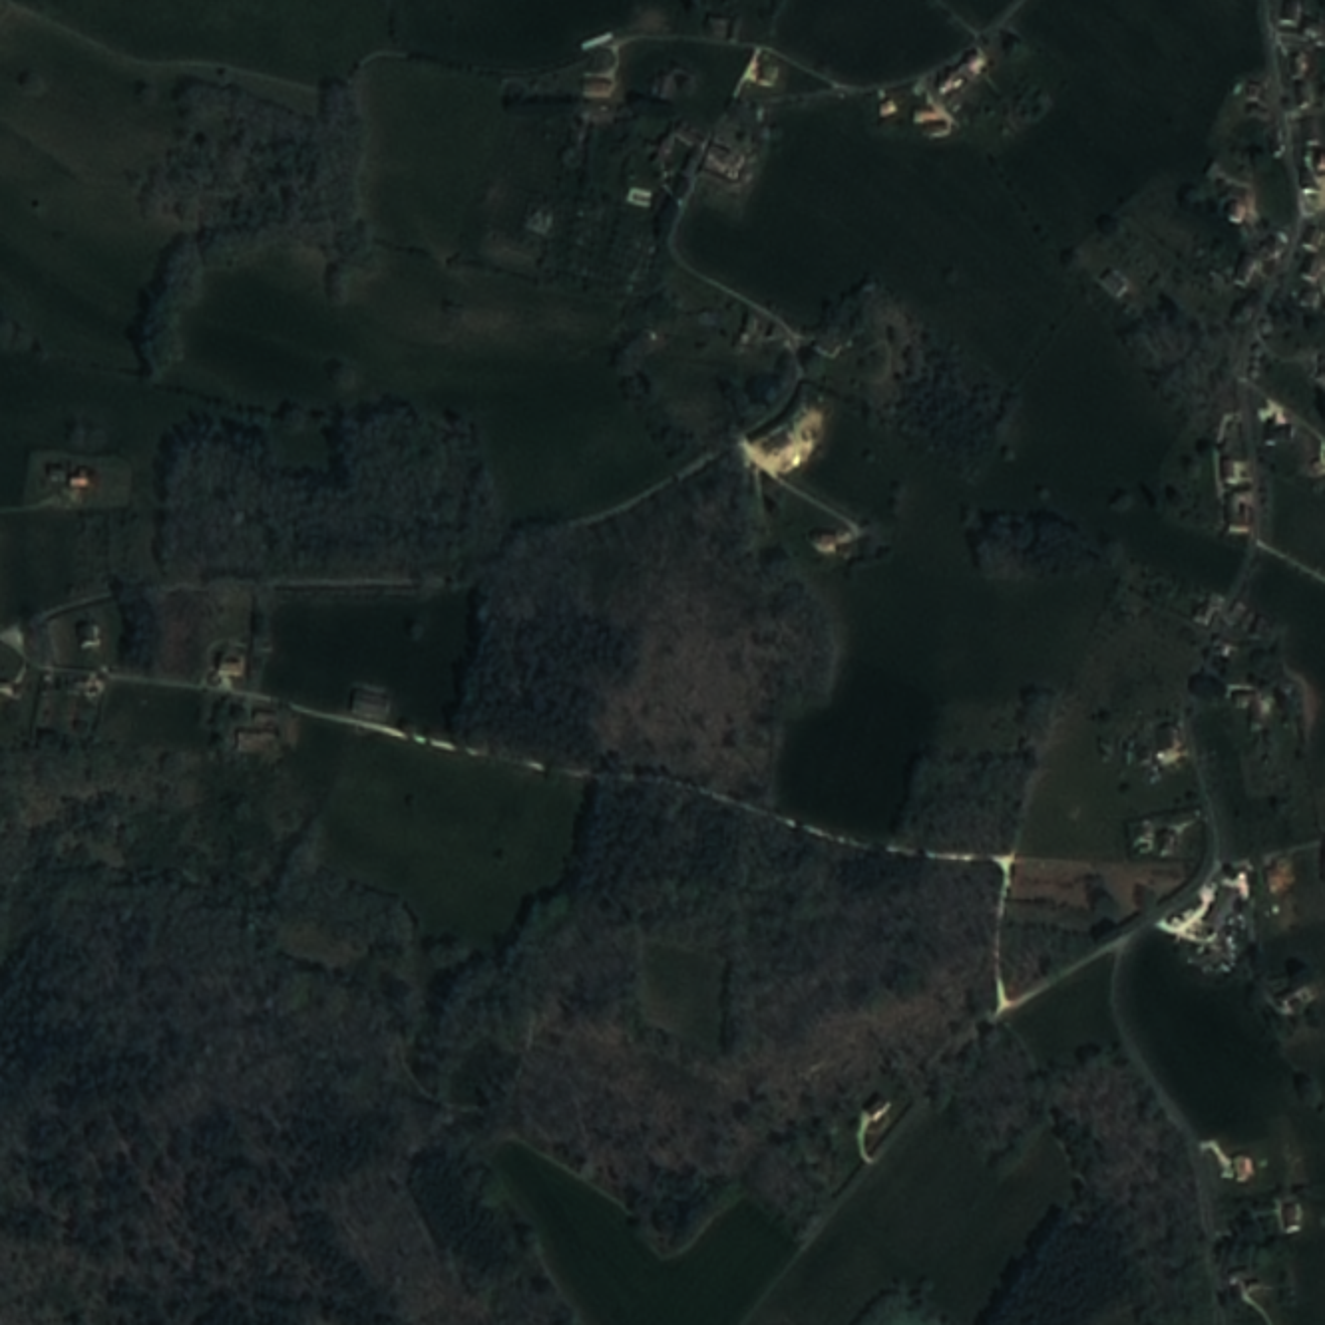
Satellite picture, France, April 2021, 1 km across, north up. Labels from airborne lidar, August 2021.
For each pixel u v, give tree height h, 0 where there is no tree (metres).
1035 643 0
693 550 22
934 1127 0
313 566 17
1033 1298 23
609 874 27
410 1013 22
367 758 0
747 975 16
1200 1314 17
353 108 17
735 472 18
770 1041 14
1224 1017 0
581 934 15
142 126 0
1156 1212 9
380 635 0
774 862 15
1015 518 9
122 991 15
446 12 0
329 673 0
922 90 7
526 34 0
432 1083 22
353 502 23
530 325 0
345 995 22
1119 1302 17
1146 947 0
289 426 13
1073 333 0
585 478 0
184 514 18
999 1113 14
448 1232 20
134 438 0
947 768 15
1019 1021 0
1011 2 0
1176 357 25
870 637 0
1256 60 0
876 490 0
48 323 0
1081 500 0
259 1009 14
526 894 0
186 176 11
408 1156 16
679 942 12
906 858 7
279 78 0
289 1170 7
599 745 22
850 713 0
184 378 0
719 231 0
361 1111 19
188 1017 15
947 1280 0
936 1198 0
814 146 0
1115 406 0
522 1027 22
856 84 0
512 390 0
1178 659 0
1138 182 0
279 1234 9
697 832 15
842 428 0
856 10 0
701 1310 0
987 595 0
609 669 27
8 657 0
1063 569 19
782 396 13
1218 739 0
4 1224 13
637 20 0
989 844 9
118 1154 6
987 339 0
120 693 0
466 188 0
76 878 14
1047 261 0
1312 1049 0
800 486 0
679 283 0
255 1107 15
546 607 21
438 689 0
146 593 15
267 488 21
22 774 13
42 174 0
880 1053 18
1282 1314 0
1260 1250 12
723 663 0
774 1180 12
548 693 24
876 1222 0
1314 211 0
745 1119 18
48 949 19
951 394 7
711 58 0
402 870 0
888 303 12
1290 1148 0
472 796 0
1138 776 0
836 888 13
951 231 0
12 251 0
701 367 0
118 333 0
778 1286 0
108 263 0
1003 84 0
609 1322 0
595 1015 19
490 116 0
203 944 23
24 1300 8
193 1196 14
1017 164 0
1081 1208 8
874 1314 9
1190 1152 13
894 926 15
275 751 0
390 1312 9
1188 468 12
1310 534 0
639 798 11
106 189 0
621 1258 0
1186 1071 0
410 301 0
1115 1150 11
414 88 0
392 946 20
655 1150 8
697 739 19
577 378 0
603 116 0
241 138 12
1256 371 6
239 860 7
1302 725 12
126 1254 8
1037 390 0
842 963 18
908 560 0
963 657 0
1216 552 0
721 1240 0
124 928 16
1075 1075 11
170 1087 11
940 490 0
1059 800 0
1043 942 12
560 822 0
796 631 19
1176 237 0
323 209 16
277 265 0
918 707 0
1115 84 0
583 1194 0
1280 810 14
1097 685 0
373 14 0
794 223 0
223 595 17
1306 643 0
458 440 9
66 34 0
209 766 0
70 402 0
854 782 0
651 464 0
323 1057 17
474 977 19
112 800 11
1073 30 0
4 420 0
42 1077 24
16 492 0
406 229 0
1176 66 0
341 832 0
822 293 0
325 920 22
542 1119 14
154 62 0
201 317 0
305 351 0
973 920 12
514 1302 11
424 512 17
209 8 0
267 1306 17
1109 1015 0
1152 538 0
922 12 0
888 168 0
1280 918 0
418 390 0
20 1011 14
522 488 0
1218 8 0
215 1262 6
